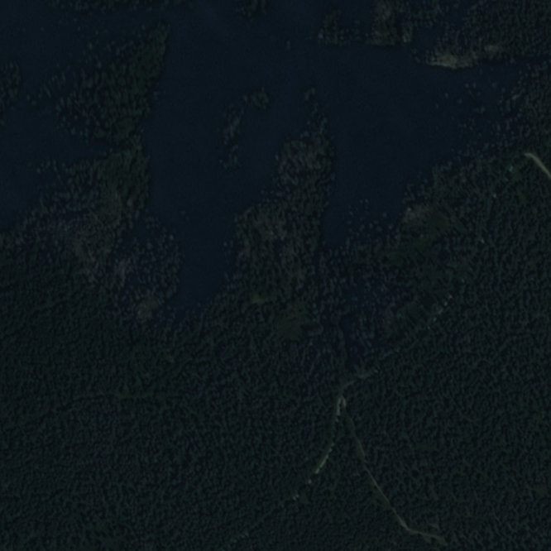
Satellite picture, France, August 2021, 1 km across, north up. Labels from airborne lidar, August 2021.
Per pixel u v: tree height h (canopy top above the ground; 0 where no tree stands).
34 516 17
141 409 16
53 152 17
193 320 17
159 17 31
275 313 9
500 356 9
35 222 34
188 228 24
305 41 6
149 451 14
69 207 27
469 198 16
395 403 20
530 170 11
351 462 21
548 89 21
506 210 23
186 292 17
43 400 11
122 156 16
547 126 15
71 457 23
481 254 14
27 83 28
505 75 21
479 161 17
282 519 20
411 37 11
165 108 28
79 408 23
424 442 13
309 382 8
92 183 22
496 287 20
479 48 16
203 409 11
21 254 16
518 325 14
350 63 20
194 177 18
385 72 15
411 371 22
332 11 26
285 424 18
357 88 32
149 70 18
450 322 20
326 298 5
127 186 29
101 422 19
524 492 20
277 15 26
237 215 13
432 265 14
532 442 14
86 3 25
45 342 13
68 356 10
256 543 13
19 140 30
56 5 18
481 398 19
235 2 34
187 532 12
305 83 27
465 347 21
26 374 15
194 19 15
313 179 32
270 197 11
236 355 10
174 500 16
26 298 18
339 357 8
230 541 12
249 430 20
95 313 19
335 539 12
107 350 17
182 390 9
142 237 12
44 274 21
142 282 30
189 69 25
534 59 16
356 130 30
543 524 20
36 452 12
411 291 17
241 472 14
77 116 19
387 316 24
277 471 18
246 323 20
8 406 15
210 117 6
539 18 19
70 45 17
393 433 20
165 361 6
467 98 18
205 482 22
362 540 14
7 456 21
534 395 12
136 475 20
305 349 23
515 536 25
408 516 16
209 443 9
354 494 8
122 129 22
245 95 11
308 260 29
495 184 17
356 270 14
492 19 15
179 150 15
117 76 19
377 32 11
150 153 26
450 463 19
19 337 16
